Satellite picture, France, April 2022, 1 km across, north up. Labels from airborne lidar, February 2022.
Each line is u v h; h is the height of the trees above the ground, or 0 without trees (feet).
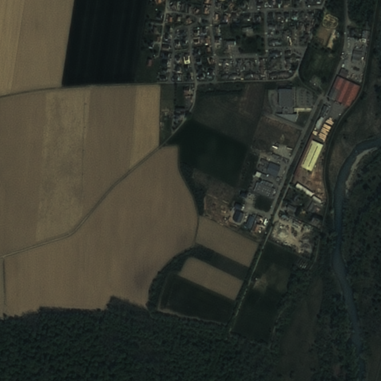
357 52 0
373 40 0
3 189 0
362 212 59
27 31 0
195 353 40
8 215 0
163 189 0
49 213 0
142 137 0
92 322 53
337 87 0
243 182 0
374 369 0
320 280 0
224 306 0
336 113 0
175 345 47
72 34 0
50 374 56
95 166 0
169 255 0
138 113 0
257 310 0
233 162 0
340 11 33
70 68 0
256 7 0
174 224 0
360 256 64
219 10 0
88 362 66
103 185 0
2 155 0
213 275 0
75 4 0
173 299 0
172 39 0
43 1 0
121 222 0
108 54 0
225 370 43
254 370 77
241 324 0
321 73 0
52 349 78
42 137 0
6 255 0
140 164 0
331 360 19
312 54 0
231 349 36
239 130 0
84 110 0
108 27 0
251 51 0
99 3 0
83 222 0
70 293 0
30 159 0
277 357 34
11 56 0
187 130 0
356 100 0
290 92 0
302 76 24
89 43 0
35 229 0
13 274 0
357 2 39
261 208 0
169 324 48
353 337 0
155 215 0
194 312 0
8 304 0
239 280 0
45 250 0
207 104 0
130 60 0
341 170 0
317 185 0
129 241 0
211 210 0
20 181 0
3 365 67
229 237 0
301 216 0
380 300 35
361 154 0
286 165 0
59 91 0
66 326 61
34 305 0
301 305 0
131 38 0
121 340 55
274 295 0
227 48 18
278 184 0
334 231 50
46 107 0
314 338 0
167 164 0
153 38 0
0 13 0
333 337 41
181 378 45
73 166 0
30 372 69
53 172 0
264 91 0
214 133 0
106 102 0
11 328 50
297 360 0
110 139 0
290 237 0
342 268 0
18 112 0
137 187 0
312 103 0
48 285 0
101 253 0
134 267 0
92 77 0
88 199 0
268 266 0
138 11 0
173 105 0
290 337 0
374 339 0
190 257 0
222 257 0
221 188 0
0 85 0
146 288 0
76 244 0
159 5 0
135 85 0
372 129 0
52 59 0
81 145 0
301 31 0
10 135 0
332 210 39
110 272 0
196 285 0
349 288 0
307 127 0
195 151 0
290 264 0
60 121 0
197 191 18
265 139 0
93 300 0
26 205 0
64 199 0
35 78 0
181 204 0
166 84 0
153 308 64
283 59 0
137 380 68
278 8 0
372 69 0
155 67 0
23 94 0
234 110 0
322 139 0
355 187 43
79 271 0
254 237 0
